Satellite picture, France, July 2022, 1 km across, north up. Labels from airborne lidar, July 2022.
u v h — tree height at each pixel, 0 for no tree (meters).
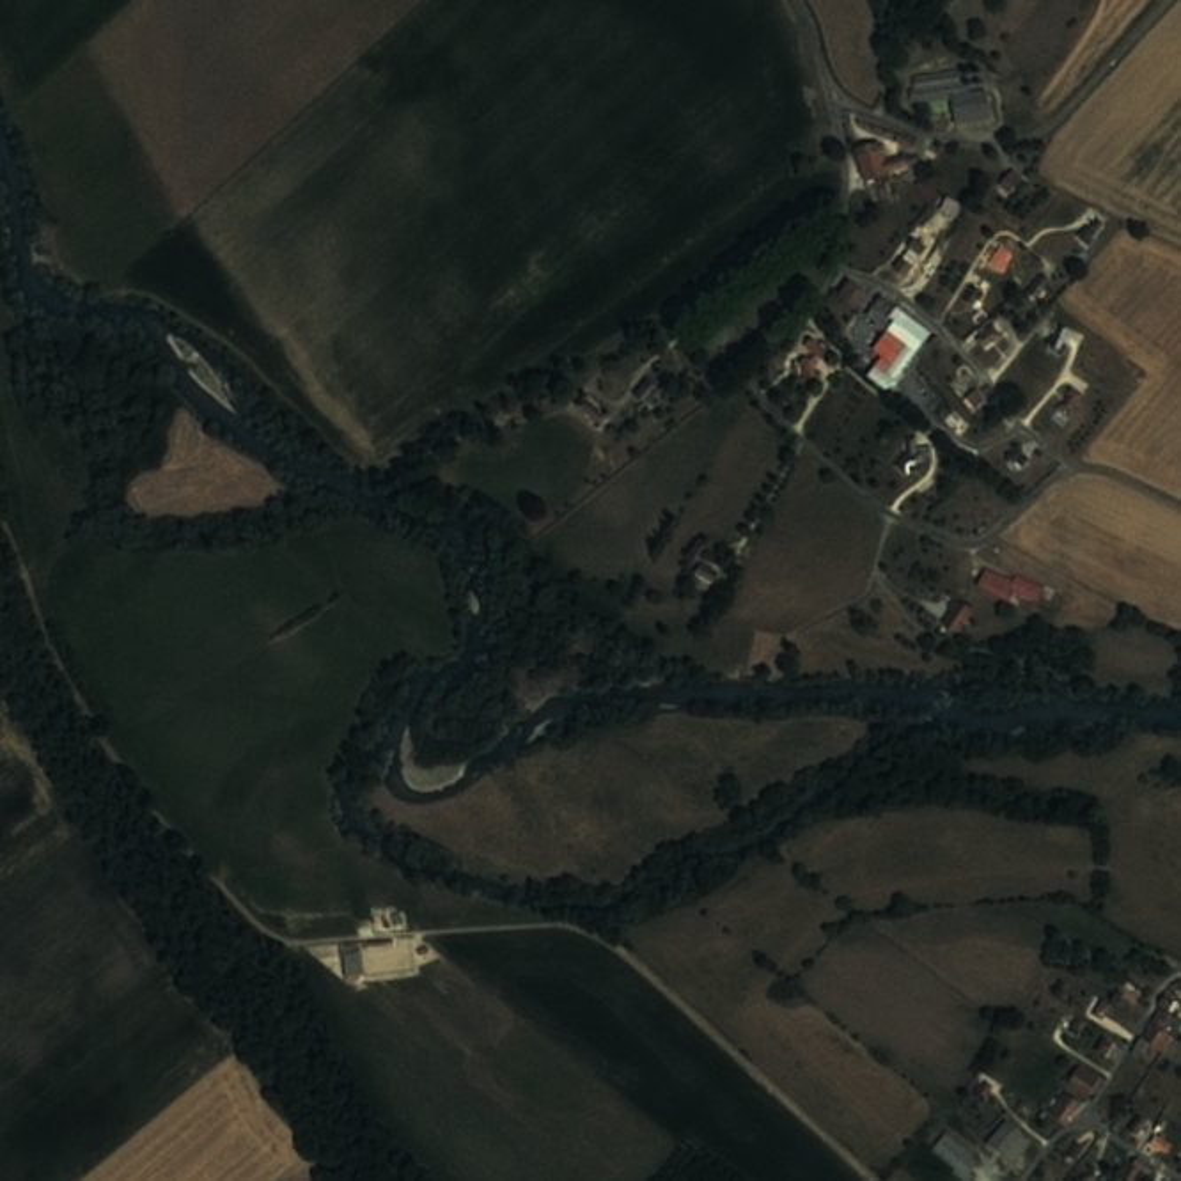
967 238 0
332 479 0
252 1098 0
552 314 0
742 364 25
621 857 0
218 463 0
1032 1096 0
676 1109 0
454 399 0
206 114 0
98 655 0
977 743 18
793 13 0
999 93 0
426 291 0
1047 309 13
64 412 15
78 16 0
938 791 18
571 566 0
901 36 19
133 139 0
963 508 0
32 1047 0
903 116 9
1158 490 0
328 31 0
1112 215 0
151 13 0
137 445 6
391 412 0
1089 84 0
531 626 10
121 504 8
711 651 0
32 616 7
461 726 5
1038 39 0
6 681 17
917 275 0
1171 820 0
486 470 0
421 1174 15
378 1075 0
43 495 0
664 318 0
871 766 16
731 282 36
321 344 0
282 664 0
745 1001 0
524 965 0
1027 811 14
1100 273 0
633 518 0
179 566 0
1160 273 0
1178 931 0
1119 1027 0
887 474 0
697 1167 10
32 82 0
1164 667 0
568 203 0
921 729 9
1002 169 0
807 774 7
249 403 14
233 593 0
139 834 11
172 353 0
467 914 0
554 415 0
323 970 0
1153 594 0
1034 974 0
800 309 33
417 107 0
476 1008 0
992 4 12
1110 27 0
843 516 0
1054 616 0
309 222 0
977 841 0
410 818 0
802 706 13
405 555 0
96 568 0
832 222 34
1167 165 0
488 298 0
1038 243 0
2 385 0
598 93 0
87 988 0
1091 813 16
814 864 0
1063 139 0
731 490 0
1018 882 0
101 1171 0
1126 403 0
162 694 0
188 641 0
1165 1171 0
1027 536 0
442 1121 0
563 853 0
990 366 0
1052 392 0
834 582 0
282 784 0
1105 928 0
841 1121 0
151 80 0
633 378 0
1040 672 20
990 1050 6
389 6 0
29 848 0
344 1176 22
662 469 0
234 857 0
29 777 0
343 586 0
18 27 0
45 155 0
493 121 0
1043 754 6
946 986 0
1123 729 14
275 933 0
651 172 0
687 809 0
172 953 19
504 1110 0
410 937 0
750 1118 0
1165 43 0
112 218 0
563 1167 0
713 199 0
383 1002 0
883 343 0
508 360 0
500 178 0
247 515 12
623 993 0
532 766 0
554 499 0
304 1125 19
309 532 14
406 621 0
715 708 16
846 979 0
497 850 0
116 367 16
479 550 19
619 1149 0
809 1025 0
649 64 0
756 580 0
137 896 21
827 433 0
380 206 0
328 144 0
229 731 0
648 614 0
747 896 0
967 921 0
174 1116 0
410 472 27
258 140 0
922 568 6
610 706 16
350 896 0
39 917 0
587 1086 0
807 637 0
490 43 0
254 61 0
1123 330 0
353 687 0
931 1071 0
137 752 0
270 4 0
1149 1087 0
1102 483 0
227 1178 0
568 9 0
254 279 0
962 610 0
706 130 0
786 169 0
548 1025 0
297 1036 16
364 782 14
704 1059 0
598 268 0
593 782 0
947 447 20
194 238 0
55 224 13
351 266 0
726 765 0
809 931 0
